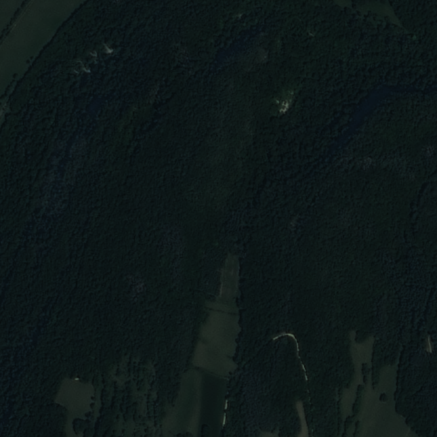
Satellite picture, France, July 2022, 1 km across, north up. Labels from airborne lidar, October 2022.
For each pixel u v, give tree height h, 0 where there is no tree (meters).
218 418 0
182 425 0
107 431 14
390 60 15
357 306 13
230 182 13
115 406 16
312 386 11
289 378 14
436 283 14
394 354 19
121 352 11
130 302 16
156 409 14
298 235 18
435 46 24
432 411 19
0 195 17
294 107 18
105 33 18
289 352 11
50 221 19
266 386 15
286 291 11
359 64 8
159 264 12
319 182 18
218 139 6
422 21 10
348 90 21
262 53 6
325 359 15
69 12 0
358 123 23
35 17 0
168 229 18
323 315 15
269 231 19
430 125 20
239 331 0
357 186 17
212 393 0
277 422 13
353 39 21
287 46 23
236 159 11
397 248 15
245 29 8
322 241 7
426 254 16
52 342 21
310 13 16
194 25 14
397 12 9
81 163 6
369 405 0
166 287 13
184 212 14
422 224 16
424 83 30
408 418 11
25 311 17
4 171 12
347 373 15
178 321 12
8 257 18
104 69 16
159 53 17
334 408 9
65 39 8
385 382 0
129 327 16
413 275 24
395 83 22
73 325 21
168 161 16
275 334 8
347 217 16
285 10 11
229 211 18
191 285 12
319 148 19
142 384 12
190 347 6
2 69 0
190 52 25
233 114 10
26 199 18
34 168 13
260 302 18
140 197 14
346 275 11
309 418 13
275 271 16
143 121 7
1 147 17
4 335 17
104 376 14
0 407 17
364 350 0
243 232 30
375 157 21
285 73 19
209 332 0
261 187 19
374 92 10
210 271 15
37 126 19
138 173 18
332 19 20
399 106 16
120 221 18
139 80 32
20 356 15
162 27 14
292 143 28
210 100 20
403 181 17
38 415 18
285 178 18
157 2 18
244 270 19
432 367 12
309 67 22
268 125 22
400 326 26
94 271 15
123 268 16
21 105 11
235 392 8
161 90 17
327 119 17
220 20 21
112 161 12
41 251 8
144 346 10
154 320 12
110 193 19
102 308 19
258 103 20
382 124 16
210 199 11
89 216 10
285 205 16
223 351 0
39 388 18
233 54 7
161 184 12
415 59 19
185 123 15
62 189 6
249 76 16
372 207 15
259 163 29
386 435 0
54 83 16
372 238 13
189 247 13
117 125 15
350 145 10
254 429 14
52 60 11
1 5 0
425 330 19
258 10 14
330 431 13
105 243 19
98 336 17
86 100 19
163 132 15
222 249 16
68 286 18
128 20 13
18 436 23
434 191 21
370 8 0
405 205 19
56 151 6
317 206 17
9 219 18
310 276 11
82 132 9
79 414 0
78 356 14
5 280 10
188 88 19
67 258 16
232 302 0
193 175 13
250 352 17
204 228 17
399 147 10
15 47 0
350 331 10
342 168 21
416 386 15
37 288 21
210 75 12
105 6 15
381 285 15
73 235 9
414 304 31
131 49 17
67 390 0
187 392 0
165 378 13
